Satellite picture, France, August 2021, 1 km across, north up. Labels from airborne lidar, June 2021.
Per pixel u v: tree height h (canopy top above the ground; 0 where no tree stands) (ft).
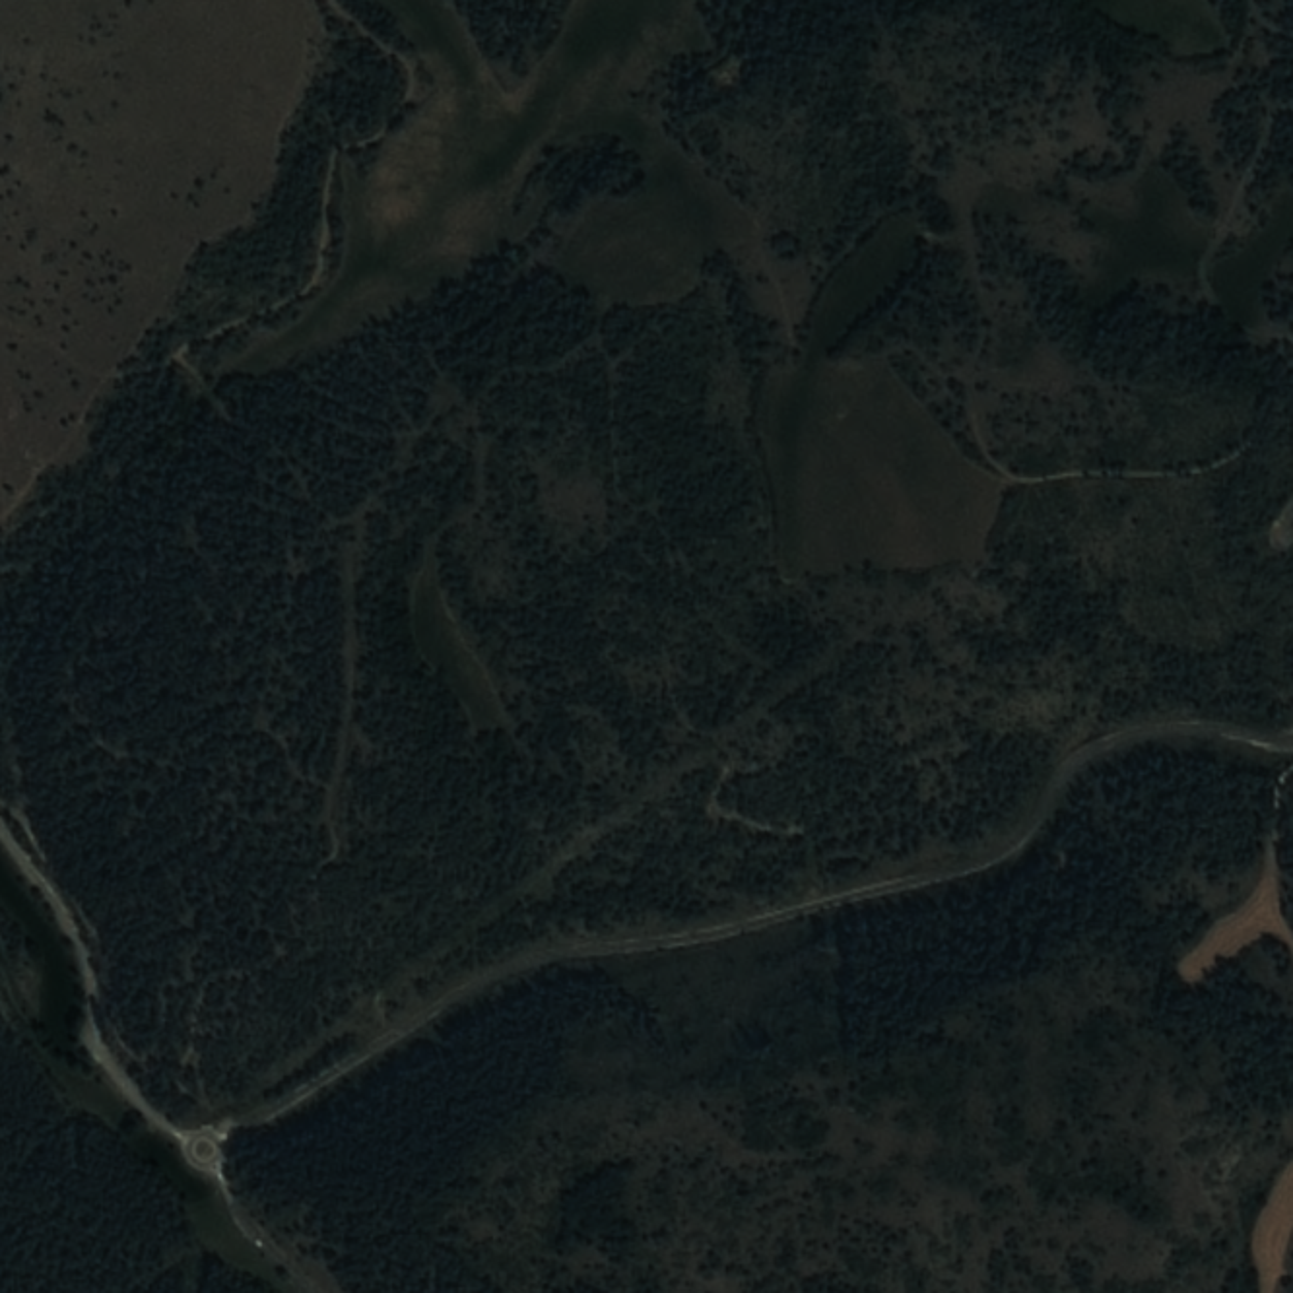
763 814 31
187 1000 26
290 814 22
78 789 42
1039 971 28
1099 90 24
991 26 32
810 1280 23
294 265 25
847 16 24
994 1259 19
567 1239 36
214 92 0
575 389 20
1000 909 35
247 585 48
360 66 34
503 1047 32
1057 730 22
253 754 24
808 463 0
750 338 28
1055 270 44
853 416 0
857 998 45
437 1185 34
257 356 0
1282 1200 0
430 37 0
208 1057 34
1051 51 31
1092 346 26
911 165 22
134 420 43
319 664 36
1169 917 38
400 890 31
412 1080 43
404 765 27
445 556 24
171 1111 33
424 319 42
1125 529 0
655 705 19
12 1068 38
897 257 0
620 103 0
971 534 0
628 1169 36
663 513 24
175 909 36
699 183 0
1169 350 31
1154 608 0
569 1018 36
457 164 0
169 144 0
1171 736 0
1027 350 0
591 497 0
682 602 19
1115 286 0
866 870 38
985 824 48
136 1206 22
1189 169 30
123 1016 39
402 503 21
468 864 35
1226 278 0
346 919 39
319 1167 48
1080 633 29
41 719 57
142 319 0
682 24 0
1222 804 37
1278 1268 0
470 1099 47
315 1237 33
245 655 41
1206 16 0
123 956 30
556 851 31
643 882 24
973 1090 0
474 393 26
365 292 0
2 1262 26
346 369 34
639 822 23
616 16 0
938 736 30
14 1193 58
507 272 57
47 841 55
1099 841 54
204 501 45
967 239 0
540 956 0
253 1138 40
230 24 0
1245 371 45
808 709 25
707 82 37
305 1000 52
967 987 46
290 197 28
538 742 28
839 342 21
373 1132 48
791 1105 21
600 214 0
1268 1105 33
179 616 49
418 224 0
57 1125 33
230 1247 0
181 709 52
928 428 0
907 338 28
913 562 0
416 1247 48
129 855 41
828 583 18
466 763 31
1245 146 33
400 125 35
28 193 0
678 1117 0
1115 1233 0
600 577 22
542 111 0
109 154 0
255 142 0
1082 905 46
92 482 25
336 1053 37
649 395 26
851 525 0
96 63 0
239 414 42
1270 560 22
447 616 0
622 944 0
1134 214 0
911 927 27
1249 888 0
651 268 0
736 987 0
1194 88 0
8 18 0
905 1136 0
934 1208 0
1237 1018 41
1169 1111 0
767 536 29
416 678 32
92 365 0
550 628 23
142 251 0
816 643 24
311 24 0
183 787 37
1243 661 22
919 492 0
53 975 0
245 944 52
